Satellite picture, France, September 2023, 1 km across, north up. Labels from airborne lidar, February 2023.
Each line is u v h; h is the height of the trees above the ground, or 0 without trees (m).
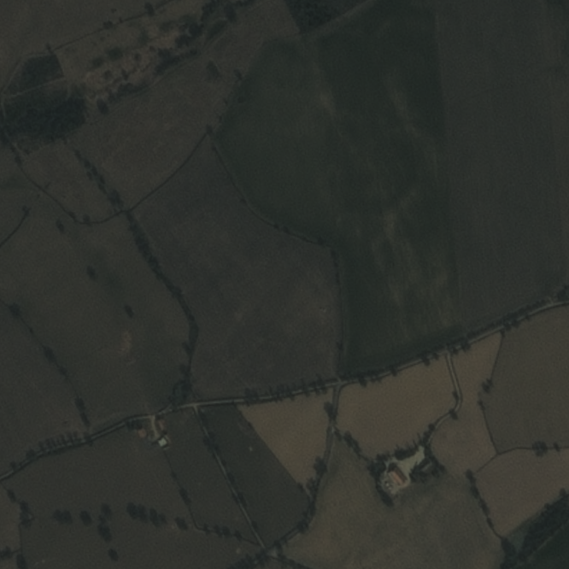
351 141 0
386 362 0
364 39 0
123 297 0
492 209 0
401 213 0
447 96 0
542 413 0
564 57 0
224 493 0
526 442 0
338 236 0
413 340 0
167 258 0
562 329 0
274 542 0
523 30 0
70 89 0
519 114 0
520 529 0
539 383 0
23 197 0
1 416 0
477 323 0
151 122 0
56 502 0
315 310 0
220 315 0
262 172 0
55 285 0
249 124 0
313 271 0
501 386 0
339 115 0
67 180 0
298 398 0
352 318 0
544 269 0
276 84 0
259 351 0
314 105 0
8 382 0
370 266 0
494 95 0
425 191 0
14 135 13
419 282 0
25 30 0
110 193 0
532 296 0
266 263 0
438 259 0
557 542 0
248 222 0
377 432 0
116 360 0
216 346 0
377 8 0
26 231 0
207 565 0
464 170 0
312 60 0
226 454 0
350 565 0
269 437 0
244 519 0
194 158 0
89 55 0
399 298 0
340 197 0
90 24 0
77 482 0
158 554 0
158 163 0
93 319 0
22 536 0
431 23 0
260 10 0
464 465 0
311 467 0
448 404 0
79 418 0
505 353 0
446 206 0
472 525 0
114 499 0
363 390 0
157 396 0
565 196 0
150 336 0
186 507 0
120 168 0
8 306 0
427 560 0
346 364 0
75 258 0
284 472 0
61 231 13
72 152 0
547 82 0
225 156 0
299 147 0
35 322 0
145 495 0
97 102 0
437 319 0
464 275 0
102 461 0
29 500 0
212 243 0
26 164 0
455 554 0
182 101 0
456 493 0
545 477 0
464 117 0
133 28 0
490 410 0
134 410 0
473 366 0
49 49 14
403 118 0
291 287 0
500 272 0
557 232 0
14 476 0
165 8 0
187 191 0
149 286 0
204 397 0
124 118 0
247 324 0
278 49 0
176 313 0
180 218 0
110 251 0
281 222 0
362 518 0
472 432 0
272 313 0
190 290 0
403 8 0
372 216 0
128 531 0
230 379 0
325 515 0
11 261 0
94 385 0
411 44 0
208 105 0
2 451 0
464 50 0
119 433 0
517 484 0
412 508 0
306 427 0
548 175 0
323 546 0
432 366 0
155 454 0
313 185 0
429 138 0
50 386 0
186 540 0
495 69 0
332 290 0
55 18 0
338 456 0
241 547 0
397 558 0
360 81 0
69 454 0
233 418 0
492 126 0
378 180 0
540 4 0
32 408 0
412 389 0
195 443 0
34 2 0
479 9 0
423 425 0
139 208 0
